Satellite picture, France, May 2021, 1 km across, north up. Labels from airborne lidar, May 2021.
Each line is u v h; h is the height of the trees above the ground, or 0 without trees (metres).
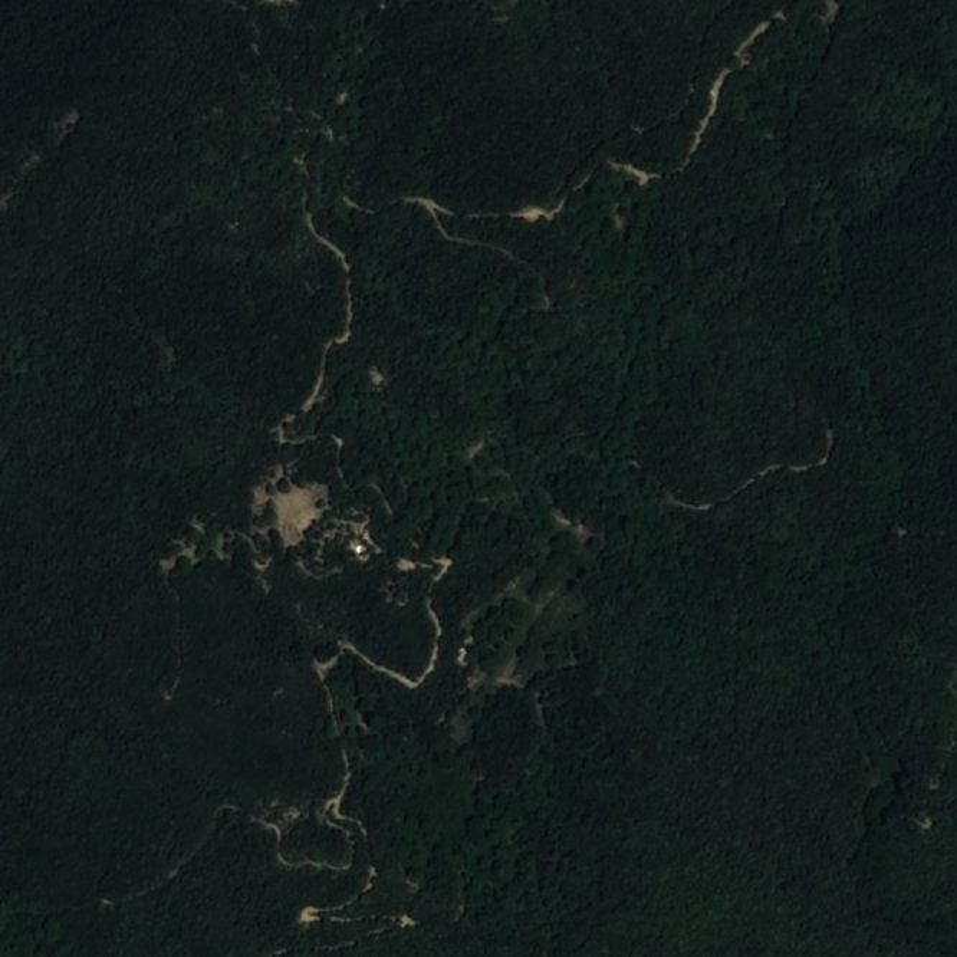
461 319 11
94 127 17
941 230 14
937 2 13
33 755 14
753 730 7
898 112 18
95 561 10
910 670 14
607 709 15
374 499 6
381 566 10
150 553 12
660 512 14
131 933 10
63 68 9
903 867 12
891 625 16
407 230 11
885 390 12
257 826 11
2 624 10
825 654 18
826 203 22
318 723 15
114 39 15
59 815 8
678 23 16
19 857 10
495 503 10
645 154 12
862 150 16
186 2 14
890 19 15
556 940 16
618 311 12
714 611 12
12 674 9
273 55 8
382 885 13
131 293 12
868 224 11
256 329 13
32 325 16
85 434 12
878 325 8
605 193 26
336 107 21
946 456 9
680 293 11
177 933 6
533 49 9
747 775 15
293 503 0
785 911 13
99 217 9
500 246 12
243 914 16
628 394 15
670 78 10
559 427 14
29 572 11
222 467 11
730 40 14
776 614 14
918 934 23
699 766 13
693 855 13
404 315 18
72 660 6
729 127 17
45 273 7
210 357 12
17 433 11
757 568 20
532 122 14
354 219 16
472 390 15
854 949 17
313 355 14
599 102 17
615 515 16
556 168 15
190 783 9
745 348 16
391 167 12
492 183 13
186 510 12
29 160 6
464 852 16
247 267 13
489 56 15
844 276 16
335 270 10
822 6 14
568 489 13
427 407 13
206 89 11
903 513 13
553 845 13
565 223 10
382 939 13
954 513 9
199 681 9
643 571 15
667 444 7
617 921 13
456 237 13
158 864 7
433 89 14
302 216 16
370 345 7
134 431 9
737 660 16
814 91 18
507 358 13
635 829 14
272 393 11
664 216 12
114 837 9
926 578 12
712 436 9
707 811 9
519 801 14
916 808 10
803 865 16
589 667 12
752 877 18
